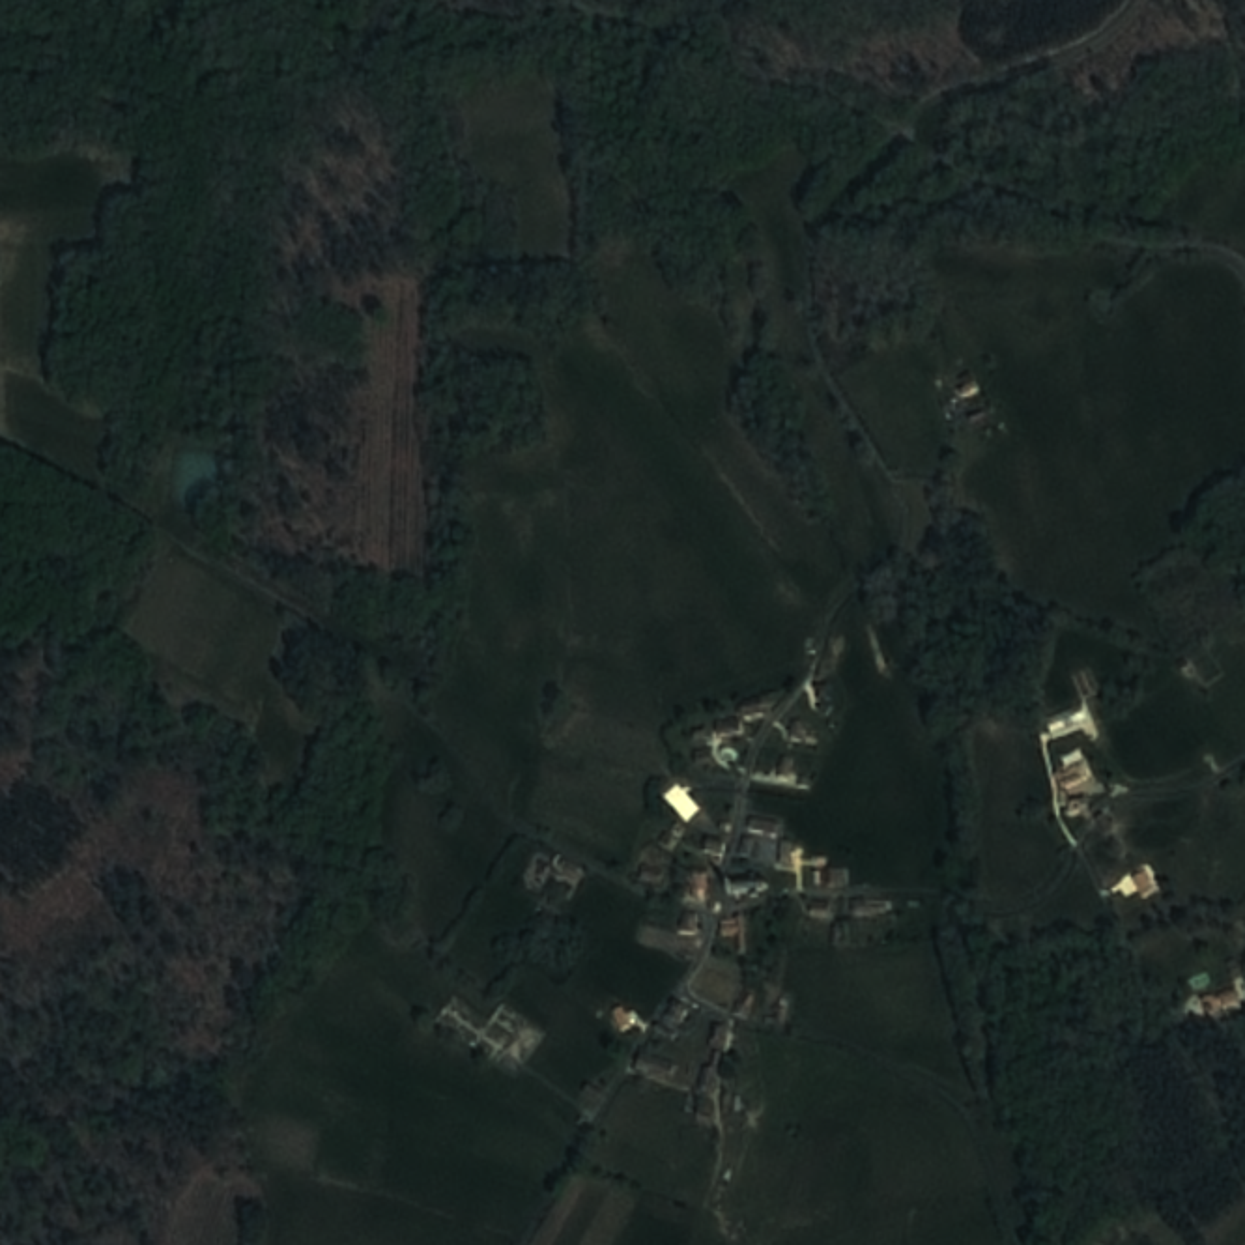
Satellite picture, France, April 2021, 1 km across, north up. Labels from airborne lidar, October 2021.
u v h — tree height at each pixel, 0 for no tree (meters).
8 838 8
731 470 0
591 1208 0
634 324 0
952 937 7
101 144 19
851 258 18
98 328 16
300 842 17
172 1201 28
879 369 0
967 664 15
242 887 13
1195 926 14
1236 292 0
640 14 22
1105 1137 18
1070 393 0
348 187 14
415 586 18
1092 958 12
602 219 19
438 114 22
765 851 0
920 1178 0
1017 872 0
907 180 19
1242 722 0
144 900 23
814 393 0
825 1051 0
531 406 21
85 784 13
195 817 0
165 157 23
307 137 19
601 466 0
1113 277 0
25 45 17
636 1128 0
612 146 21
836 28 23
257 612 0
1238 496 20
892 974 0
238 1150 9
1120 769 0
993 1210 6
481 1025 0
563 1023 0
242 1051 12
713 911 0
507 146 0
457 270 16
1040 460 0
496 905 0
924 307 20
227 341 16
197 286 20
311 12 21
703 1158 0
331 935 23
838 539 9
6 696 15
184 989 12
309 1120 0
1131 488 0
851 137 25
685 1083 0
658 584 0
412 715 0
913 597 15
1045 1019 20
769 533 0
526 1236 0
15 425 0
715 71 26
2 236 0
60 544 19
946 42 13
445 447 12
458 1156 0
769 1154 0
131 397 18
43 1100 20
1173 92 24
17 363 0
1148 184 22
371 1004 0
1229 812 0
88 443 0
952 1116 0
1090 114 12
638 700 0
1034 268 0
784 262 0
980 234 22
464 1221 0
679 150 25
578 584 0
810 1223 0
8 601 21
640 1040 0
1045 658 18
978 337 0
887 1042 0
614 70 16
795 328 0
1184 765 0
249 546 8
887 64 14
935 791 0
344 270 25
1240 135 20
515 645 0
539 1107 0
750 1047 0
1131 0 0
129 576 18
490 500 0
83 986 14
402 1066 0
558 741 0
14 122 19
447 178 21
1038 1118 21
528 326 22
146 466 19
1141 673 11
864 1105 0
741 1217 0
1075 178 22
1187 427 0
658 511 0
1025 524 0
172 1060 18
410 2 19
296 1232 0
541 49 26
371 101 21
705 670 0
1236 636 0
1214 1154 17
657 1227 0
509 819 0
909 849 0
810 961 0
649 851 0
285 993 17
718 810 0
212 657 0
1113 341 0
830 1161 0
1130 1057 16
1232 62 18
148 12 30
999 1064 18
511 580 0
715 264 25
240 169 17
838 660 0
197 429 12
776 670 0
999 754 0
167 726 20
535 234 0
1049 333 0
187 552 0
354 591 19
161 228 27
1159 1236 0
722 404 0
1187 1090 17
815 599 0
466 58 22
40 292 0
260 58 21
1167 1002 12
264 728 0
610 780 0
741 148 21
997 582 24
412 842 0
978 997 20
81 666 23
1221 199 0
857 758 0
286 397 12
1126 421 0
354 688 28
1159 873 0
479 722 0
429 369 13
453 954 0
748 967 11
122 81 21
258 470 19
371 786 18
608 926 0
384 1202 0
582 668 0
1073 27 9
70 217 0
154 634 0
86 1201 17
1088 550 0
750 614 0
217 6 22
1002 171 14
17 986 18
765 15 19
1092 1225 19
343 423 10
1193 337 0
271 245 20
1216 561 16
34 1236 15
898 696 0
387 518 0
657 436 0
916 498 0
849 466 0
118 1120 19
